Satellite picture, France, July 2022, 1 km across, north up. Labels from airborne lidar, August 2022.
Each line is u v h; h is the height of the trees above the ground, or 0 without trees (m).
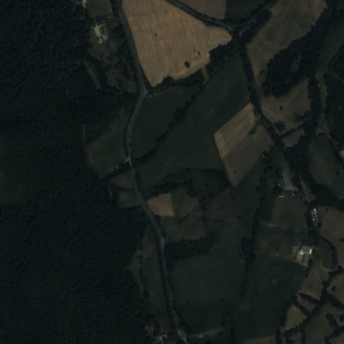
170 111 0
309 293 0
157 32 0
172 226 0
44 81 27
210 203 0
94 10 0
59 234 17
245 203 0
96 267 21
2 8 21
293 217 0
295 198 0
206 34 0
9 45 17
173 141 0
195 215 0
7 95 22
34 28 31
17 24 24
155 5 0
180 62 0
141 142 0
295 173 8
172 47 0
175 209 0
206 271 0
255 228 9
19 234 17
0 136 10
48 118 23
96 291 25
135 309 26
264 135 0
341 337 0
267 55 0
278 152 0
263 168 0
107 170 0
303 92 0
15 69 31
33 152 10
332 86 10
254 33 21
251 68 26
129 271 14
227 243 0
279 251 0
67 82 24
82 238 22
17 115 10
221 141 0
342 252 0
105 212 19
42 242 13
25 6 25
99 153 0
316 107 23
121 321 21
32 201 21
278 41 0
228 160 0
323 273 0
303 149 24
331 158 0
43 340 9
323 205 6
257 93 18
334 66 13
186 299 0
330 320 16
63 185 20
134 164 16
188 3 0
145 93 0
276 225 0
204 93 0
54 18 31
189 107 16
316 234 13
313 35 24
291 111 0
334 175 0
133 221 6
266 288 0
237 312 0
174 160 0
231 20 15
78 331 18
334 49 0
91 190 26
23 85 28
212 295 0
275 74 18
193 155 0
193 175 0
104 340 23
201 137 0
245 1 0
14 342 10
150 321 13
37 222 13
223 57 14
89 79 12
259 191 17
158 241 11
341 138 14
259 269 0
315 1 0
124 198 0
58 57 25
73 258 23
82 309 19
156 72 0
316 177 0
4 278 9
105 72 7
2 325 10
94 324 28
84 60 8
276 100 0
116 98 16
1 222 19
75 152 19
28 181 9
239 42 14
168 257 17
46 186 17
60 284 9
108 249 20
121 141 0
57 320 16
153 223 11
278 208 0
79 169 20
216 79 0
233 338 10
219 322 0
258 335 0
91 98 20
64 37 29
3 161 7
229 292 0
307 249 0
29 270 12
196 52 0
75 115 6
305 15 0
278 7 0
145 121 0
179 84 9
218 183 0
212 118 0
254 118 0
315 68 20
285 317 14
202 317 0
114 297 19
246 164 0
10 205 9
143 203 0
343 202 18
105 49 0
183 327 23
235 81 0
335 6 16
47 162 22
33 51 29
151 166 0
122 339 26
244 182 0
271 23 0
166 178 0
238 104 0
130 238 18
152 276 0
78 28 23
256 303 0
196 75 6
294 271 0
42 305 13
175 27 0
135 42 0
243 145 0
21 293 13
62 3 30
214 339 0
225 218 0
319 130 0
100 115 18
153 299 0
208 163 0
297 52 20
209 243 8
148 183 0
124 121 0
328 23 26
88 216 19
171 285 18
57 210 23
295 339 0
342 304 13
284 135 8
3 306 10
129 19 0
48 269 13
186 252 11
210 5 0
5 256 12
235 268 0
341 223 0
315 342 0
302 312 13
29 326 10
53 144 20
